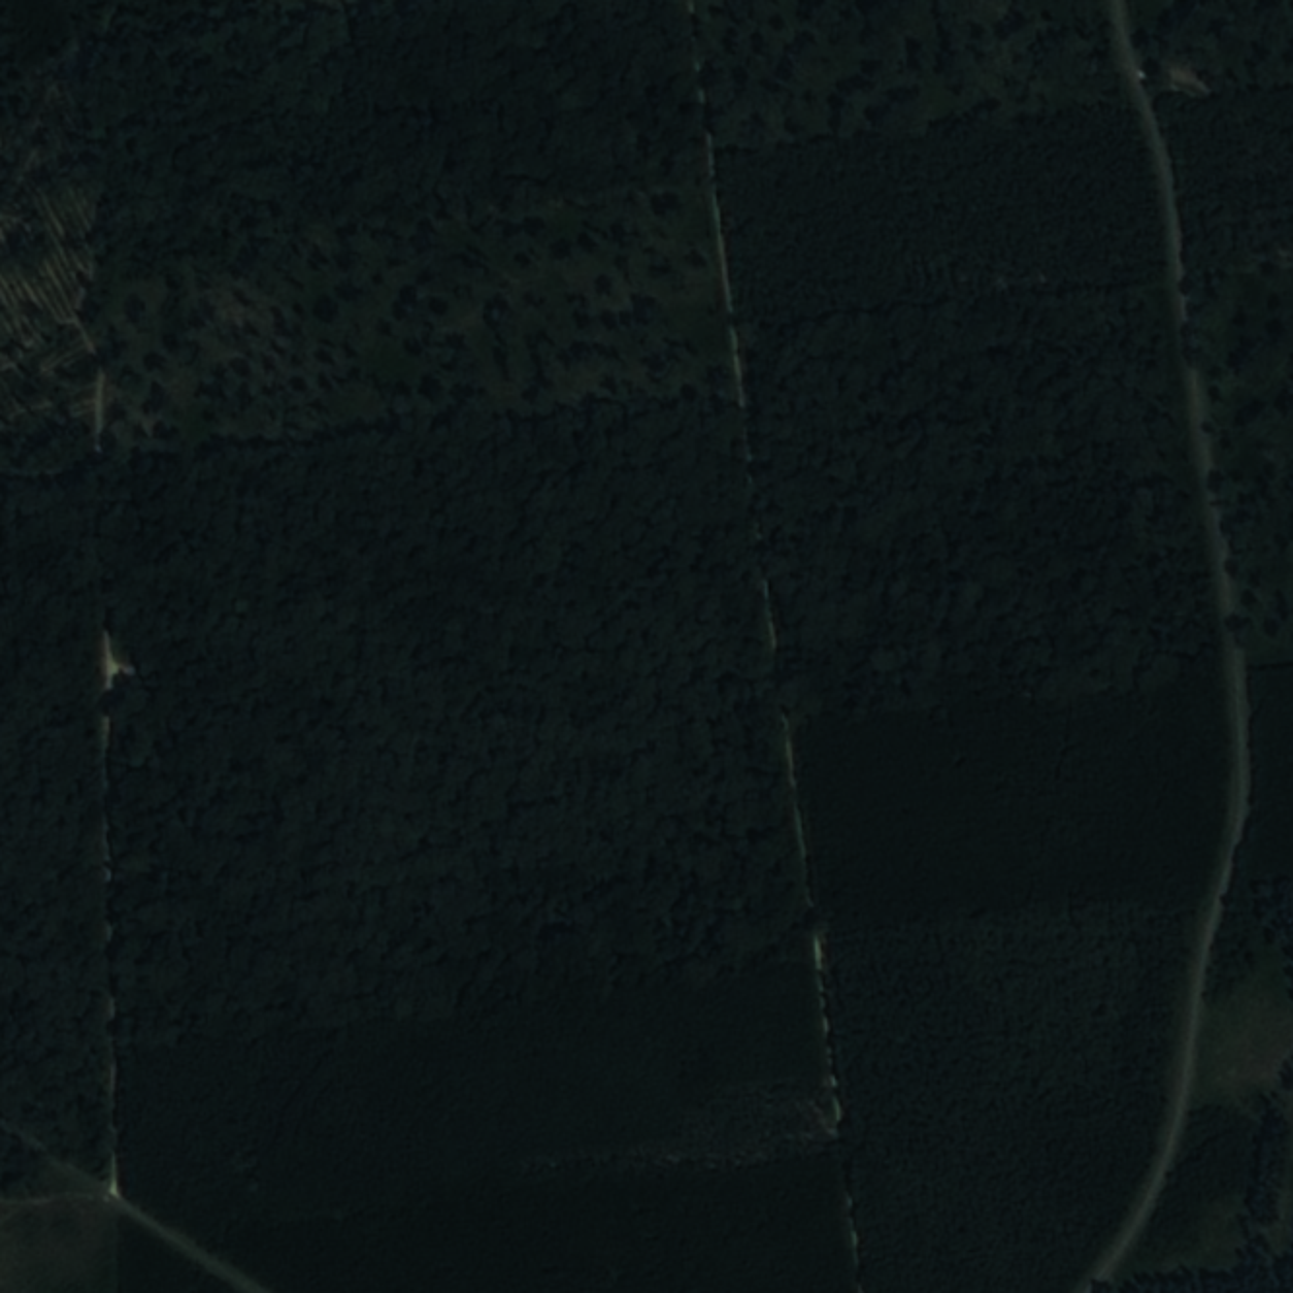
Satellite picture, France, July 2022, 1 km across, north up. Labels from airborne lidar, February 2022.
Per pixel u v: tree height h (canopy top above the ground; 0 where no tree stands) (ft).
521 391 99
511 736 92
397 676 91
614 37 103
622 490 89
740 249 54
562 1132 45
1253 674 33
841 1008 46
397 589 80
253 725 81
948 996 58
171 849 71
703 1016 49
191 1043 43
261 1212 47
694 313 0
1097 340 88
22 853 79
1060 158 58
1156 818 39
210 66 75
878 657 91
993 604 69
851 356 62
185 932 66
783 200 52
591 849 86
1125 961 54
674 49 90
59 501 86
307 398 87
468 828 83
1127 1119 59
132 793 77
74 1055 86
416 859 82
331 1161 53
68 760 83
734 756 77
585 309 83
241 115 72
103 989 55
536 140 85
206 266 110
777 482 94
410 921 79
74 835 88
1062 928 53
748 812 94
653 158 76
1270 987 0
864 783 25
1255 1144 25
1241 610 0
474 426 89
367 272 93
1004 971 58
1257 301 0
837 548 67
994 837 25
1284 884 78
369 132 85
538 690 75
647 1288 23
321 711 69
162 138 87
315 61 93
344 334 95
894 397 64
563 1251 31
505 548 73
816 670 68
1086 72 94
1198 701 41
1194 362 67
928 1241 54
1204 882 34
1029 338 81
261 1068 49
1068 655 67
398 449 69
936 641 70
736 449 69
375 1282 19
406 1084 55
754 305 44
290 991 73
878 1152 63
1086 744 32
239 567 89
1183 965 40
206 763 88
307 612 92
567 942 77
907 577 66
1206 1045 0
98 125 76
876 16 97
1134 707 31
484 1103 47
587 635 76
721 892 77
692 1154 41
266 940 66
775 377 70
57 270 0
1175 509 67
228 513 99
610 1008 46
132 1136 51
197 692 71
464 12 94
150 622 83
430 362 95
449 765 86
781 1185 23
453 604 70
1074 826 22
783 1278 26
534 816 92
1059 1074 57
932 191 51
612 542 89
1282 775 47
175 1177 63
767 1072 43
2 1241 0
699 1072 55
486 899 89
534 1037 47
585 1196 27
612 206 91
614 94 85
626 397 80
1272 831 46
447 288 93
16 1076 84
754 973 45
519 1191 29
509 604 83
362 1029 61
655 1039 46
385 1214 43
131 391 102
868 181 49
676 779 89
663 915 79
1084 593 67
